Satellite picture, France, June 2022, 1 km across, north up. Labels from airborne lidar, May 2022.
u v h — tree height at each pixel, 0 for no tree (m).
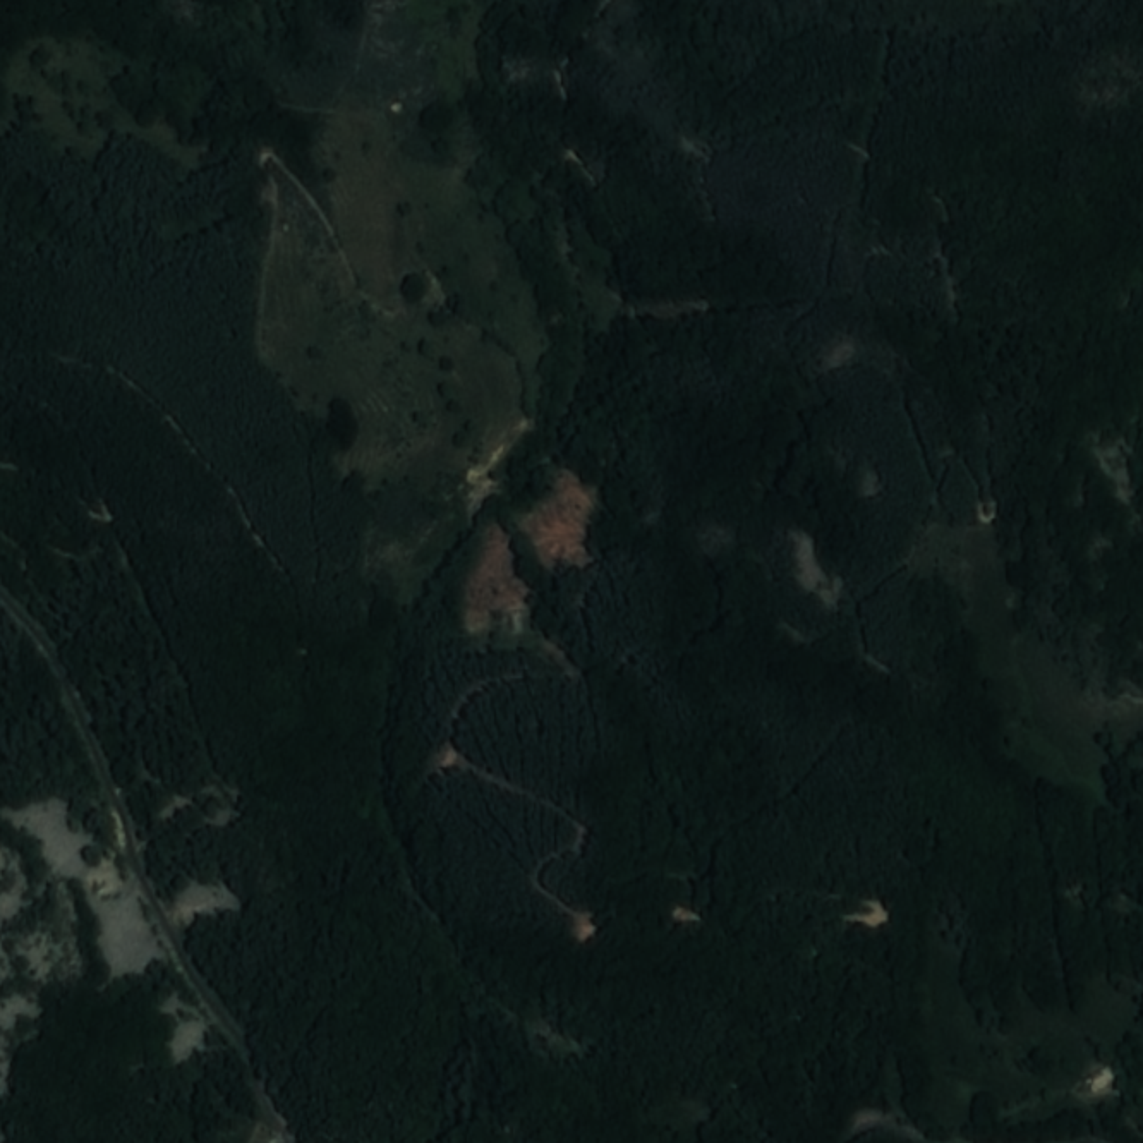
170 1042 10
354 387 0
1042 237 17
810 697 18
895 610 20
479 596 23
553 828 17
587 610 24
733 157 13
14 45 15
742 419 23
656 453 12
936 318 15
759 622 15
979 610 0
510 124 15
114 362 13
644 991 20
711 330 13
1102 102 7
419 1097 20
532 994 18
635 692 19
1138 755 15
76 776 7
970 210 18
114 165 21
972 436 14
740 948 20
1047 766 0
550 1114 21
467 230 0
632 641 20
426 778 16
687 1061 24
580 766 19
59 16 22
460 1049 13
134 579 9
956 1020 0
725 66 11
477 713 21
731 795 16
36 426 20
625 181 13
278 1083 22
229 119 17
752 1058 13
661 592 21
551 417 20
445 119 12
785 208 14
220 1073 18
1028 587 10
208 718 15
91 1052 19
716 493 19
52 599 6
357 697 16
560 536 0
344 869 11
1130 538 6
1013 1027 14
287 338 0
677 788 21
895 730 16
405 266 0
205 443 18
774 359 13
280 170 8
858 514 19
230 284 18
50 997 12
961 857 21
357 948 20
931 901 20
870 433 17
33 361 14
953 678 16
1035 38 11
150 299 17
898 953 22
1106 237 16
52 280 17
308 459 14
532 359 0
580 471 17
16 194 12
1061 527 11
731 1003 18
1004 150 17
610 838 16
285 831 15
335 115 0
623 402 16
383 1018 15
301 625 17
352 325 0
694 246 20
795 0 6
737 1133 17
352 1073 13
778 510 19
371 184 0
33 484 19
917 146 12
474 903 21
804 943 10
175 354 19
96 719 10
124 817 0
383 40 0
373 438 0
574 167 12
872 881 6
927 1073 15
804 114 9
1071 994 16
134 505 21
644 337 19
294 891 10
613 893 15
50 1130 23
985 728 22
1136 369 20
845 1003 15
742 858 18
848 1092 18
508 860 17
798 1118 19
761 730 10
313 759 26
